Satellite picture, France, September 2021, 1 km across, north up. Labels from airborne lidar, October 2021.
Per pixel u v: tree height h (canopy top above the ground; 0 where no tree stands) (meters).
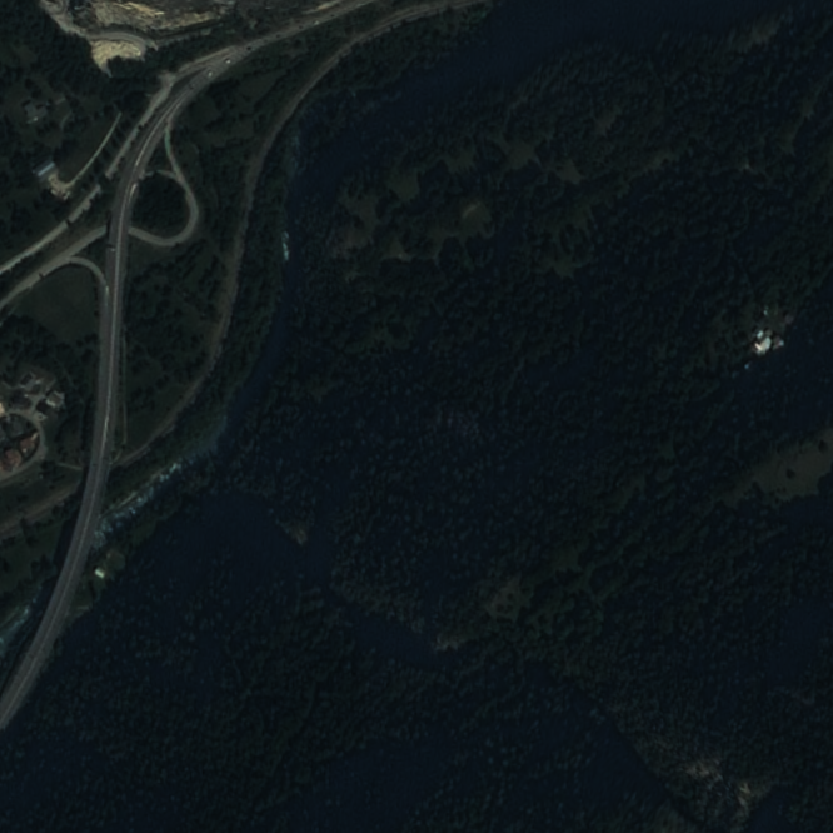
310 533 12
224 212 7
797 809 13
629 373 25
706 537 17
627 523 17
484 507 26
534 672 18
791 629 26
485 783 23
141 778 26
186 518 20
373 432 19
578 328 24
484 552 24
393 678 16
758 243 8
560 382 20
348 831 22
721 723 15
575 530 25
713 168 22
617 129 10
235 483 15
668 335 15
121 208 0
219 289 7
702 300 27
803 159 18
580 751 15
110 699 18
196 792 25
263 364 0
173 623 11
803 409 24
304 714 23
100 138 0
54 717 17
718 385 14
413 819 18
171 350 12
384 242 14
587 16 25
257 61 8
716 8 15
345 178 21
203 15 7
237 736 16
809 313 10
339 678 27
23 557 0
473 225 0
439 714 28
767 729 26
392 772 27
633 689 20
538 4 17
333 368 29
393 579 9
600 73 16
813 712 30
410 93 28
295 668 20
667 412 21
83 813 29
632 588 22
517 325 23
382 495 23
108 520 0
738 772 13
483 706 28
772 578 34
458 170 0
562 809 22
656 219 33
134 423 0
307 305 20
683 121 21
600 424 32
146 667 17
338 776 10
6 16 13
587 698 24
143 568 18
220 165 17
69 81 16
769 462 13
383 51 18
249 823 21
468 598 18
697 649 13
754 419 23
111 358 0
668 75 22
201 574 16
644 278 26
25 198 0
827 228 13
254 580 25
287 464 23
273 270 16
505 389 21
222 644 13
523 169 0
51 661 7
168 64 12
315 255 12
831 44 10
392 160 20
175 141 6
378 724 24
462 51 21
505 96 7
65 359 13
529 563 10
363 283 15
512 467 21
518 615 0
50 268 0
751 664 24
